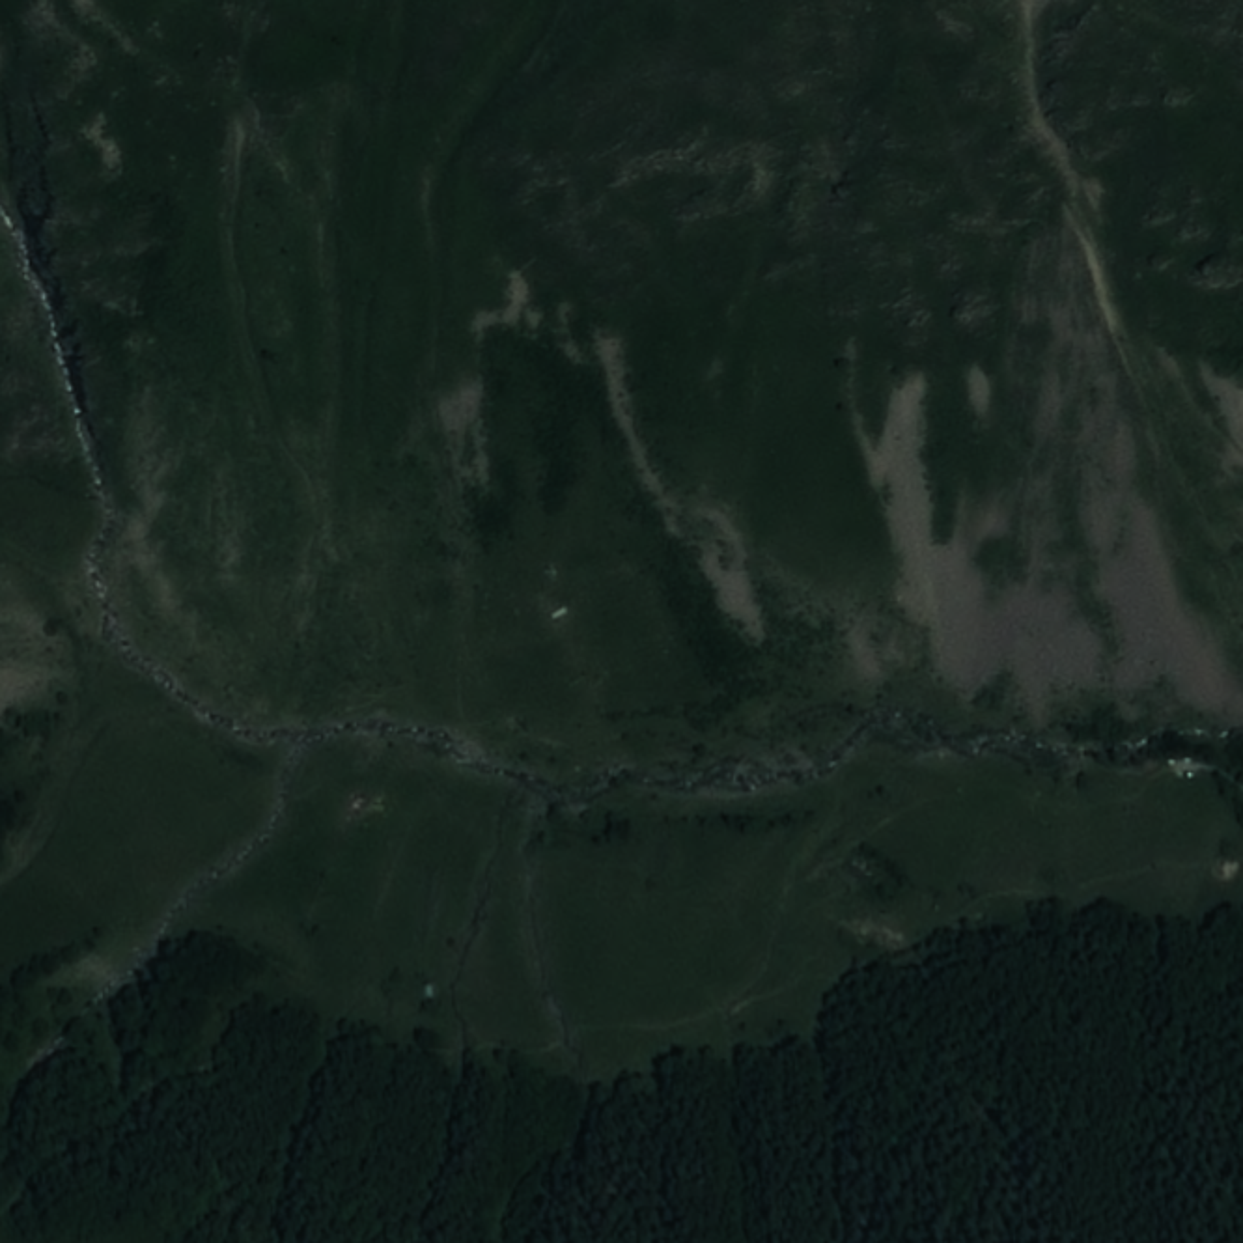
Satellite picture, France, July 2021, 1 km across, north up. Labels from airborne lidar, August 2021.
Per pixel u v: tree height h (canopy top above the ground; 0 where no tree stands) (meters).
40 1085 17
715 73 0
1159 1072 22
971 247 0
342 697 0
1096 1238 25
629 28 0
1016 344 0
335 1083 18
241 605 0
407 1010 0
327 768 0
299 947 0
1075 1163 27
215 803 0
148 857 0
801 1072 26
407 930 0
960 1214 16
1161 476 0
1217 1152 31
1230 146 0
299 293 0
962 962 14
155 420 0
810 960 0
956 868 0
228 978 13
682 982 0
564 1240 17
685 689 0
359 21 0
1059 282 0
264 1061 14
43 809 0
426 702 0
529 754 8
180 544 0
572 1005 0
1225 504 0
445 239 0
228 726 0
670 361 0
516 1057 11
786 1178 20
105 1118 16
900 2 0
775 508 0
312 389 0
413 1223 22
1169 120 0
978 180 0
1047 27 0
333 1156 19
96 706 0
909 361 0
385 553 0
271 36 0
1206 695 0
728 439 0
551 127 0
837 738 0
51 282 11
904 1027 16
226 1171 23
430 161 0
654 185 0
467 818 0
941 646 0
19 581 0
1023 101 0
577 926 0
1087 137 0
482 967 0
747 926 0
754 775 0
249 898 0
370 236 0
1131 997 22
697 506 0
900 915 0
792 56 0
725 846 0
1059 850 0
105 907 0
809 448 0
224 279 0
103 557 0
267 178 0
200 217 0
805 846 0
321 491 0
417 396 0
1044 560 0
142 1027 10
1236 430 0
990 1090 18
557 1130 8
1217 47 0
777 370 0
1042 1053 19
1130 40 0
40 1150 18
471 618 0
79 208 0
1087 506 0
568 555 0
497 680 0
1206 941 20
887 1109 18
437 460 0
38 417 0
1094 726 10
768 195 0
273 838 0
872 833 0
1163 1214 28
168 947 18
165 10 0
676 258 0
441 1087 17
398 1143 16
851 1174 32
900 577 0
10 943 0
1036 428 0
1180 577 0
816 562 0
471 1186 15
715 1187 23
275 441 0
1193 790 0
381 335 0
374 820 0
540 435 6
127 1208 12
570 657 0
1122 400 0
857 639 0
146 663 0
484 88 0
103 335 6
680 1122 20
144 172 0
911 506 0
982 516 0
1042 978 22
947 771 0
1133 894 0
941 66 0
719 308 0
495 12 0
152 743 0
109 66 0
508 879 0
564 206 0
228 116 0
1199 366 0
